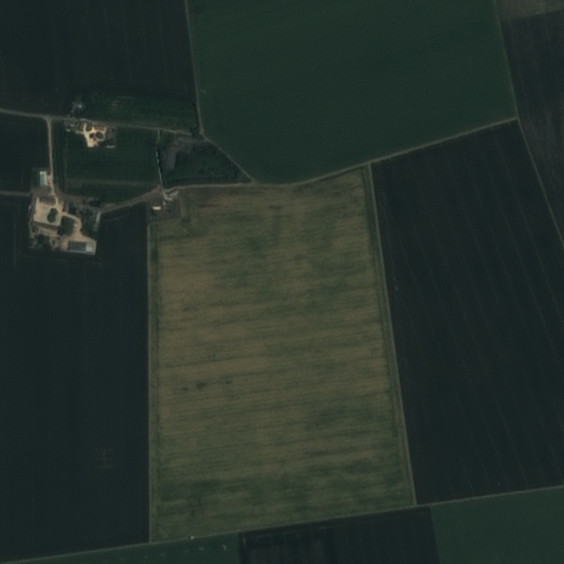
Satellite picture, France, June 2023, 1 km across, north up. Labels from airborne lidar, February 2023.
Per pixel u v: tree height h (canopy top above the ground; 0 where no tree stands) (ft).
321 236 0
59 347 0
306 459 0
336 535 0
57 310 0
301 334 0
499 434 0
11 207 0
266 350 0
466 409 0
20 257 0
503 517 0
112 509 0
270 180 0
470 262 0
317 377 0
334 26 0
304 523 0
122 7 0
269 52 0
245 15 0
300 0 0
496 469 0
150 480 0
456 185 0
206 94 0
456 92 0
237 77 0
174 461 0
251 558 0
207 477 0
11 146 0
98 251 0
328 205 0
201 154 20
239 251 0
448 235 0
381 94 0
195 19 0
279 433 0
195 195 0
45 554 0
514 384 0
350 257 0
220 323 0
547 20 0
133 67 0
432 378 0
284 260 0
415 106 0
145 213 0
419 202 0
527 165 0
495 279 0
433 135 0
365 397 0
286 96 0
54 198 0
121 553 0
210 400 0
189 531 0
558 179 0
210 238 0
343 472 0
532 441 0
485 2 0
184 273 0
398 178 0
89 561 0
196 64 0
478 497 0
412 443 0
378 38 0
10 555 0
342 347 0
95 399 0
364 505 0
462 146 0
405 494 0
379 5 0
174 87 0
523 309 0
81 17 0
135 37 0
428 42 0
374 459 0
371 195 0
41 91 0
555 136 0
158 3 0
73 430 0
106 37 0
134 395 0
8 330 0
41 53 0
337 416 0
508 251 0
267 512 0
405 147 0
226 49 0
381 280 0
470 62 0
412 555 0
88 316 0
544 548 0
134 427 0
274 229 0
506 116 0
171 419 0
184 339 0
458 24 0
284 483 0
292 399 0
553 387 0
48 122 0
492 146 0
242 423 0
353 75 0
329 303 0
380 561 0
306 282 0
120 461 0
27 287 0
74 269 0
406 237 0
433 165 0
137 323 0
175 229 0
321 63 0
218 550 0
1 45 0
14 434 0
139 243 0
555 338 0
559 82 0
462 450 0
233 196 0
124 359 0
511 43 0
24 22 0
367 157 0
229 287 0
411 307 0
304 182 0
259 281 0
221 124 0
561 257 0
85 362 0
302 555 0
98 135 38
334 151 0
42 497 0
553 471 0
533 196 0
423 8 0
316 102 0
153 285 0
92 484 0
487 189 0
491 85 0
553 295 0
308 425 0
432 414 0
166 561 0
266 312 0
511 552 0
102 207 40
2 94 0
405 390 0
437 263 0
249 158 0
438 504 0
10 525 0
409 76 0
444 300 0
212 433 0
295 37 0
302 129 0
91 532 0
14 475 0
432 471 0
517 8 0
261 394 0
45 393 0
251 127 0
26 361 0
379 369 0
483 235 0
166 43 0
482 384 0
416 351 0
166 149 30
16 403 0
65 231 45
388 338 0
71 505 0
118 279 0
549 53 0
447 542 0
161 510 0
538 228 0
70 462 0
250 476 0
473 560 0
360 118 0
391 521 0
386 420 0
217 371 0
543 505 0
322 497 0
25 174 0
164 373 0
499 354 0
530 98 0
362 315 0
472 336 0
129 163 18
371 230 0
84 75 0
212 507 0
